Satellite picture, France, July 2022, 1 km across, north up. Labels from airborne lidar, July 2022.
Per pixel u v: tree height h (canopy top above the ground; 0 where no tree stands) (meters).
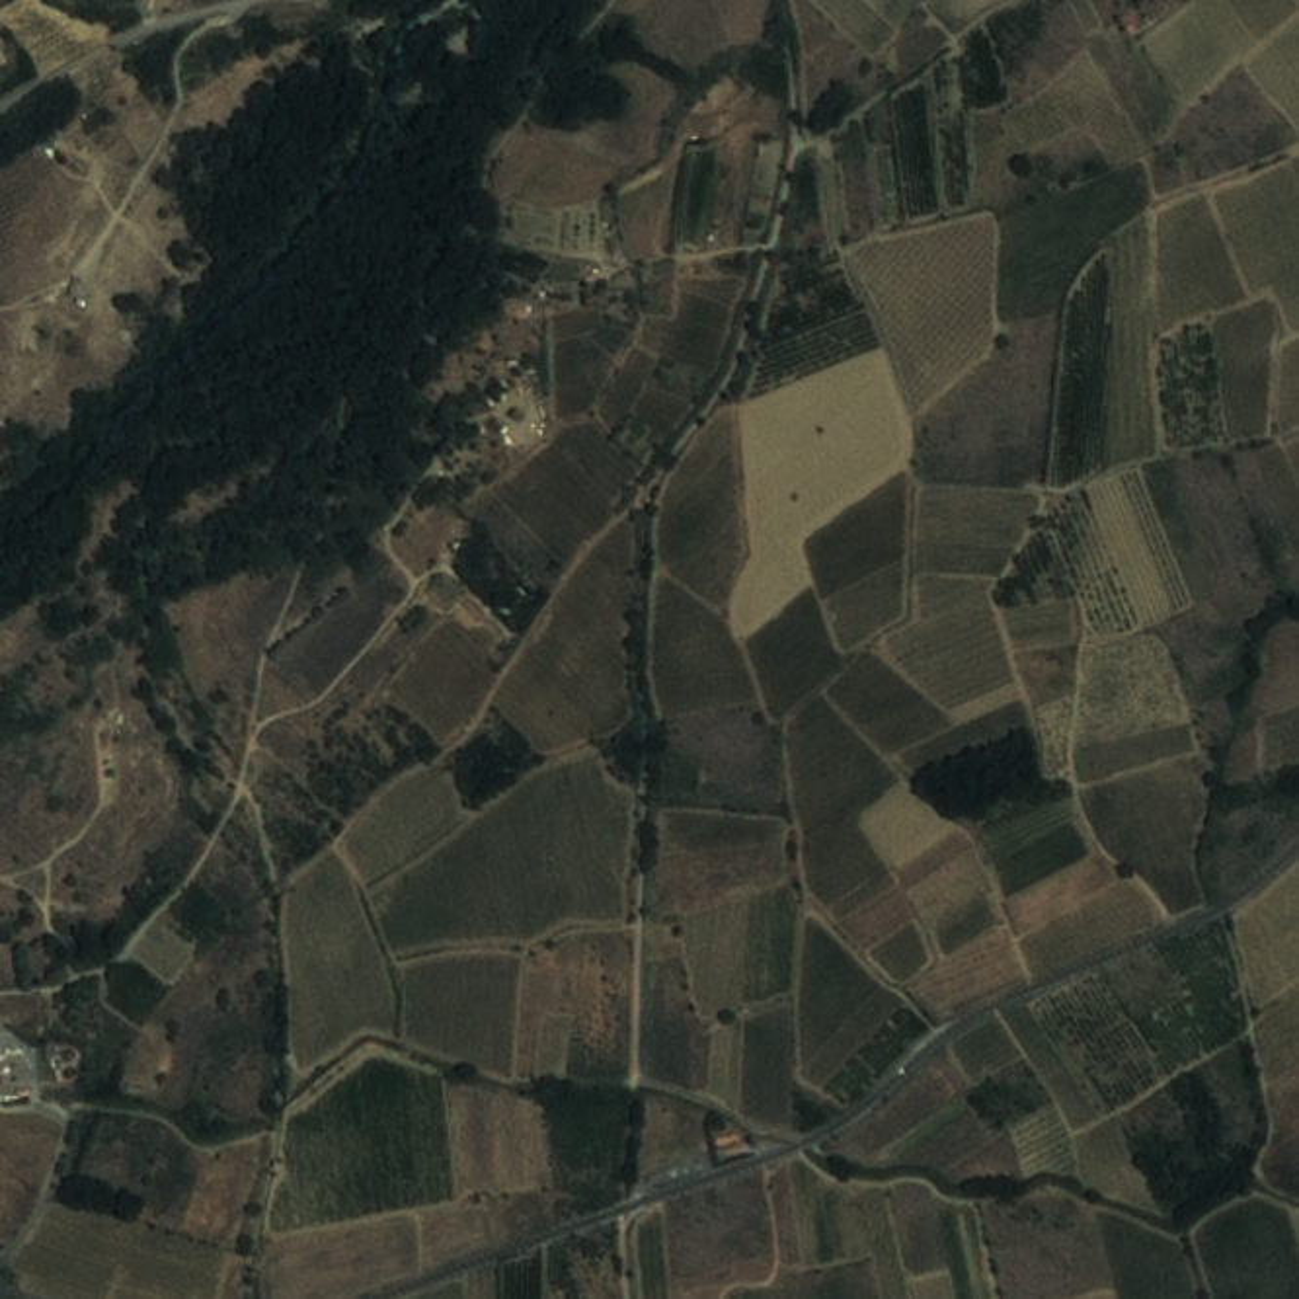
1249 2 0
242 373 13
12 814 0
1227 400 0
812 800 0
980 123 0
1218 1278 0
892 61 0
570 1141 5
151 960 0
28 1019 0
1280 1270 0
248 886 0
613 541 0
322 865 0
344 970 0
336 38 7
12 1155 0
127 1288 0
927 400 0
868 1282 0
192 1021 0
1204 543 0
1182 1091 8
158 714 15
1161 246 0
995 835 0
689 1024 0
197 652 0
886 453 0
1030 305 0
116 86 0
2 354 0
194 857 0
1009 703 0
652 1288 0
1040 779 16
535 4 23
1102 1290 0
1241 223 0
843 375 0
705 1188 0
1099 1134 0
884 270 0
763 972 0
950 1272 0
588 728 0
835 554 0
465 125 28
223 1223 0
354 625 0
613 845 0
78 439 10
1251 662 10
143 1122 0
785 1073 0
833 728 0
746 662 0
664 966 0
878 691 0
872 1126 0
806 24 0
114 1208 23
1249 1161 9
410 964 0
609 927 0
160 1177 0
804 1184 0
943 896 0
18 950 11
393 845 0
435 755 10
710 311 0
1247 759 0
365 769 6
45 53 0
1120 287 0
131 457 18
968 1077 0
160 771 0
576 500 0
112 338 0
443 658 0
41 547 23
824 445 0
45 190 0
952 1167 0
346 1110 0
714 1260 0
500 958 0
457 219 25
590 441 0
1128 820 0
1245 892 0
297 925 0
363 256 26
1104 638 0
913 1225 0
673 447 6
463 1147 0
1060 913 0
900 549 0
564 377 0
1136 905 0
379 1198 0
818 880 0
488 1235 0
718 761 0
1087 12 0
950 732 0
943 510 0
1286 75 0
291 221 24
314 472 18
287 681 0
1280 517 0
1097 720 0
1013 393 0
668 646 0
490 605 8
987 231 0
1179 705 0
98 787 0
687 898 0
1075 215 0
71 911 0
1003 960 0
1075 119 0
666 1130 0
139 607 12
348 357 28
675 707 0
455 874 0
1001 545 0
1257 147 0
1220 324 0
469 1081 15
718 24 0
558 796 0
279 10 0
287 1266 0
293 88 25
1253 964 0
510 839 0
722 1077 0
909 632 0
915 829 0
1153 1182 6
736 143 0
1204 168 0
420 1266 0
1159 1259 0
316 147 26
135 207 0
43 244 0
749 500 0
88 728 0
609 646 0
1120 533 0
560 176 0
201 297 18
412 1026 0
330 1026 0
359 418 11
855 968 0
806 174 6
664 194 0
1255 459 0
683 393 0
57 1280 0
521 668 0
